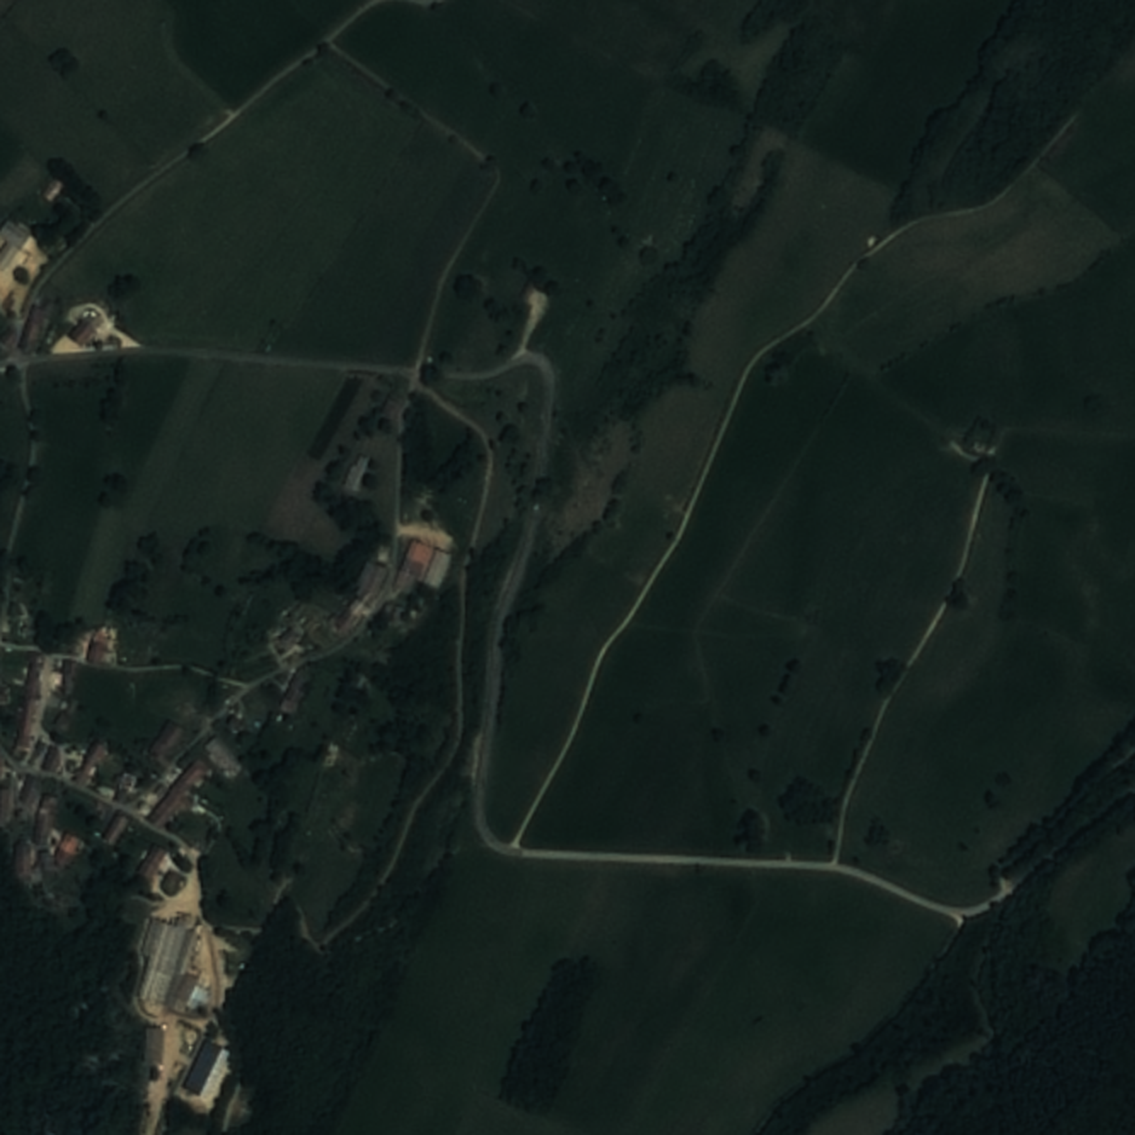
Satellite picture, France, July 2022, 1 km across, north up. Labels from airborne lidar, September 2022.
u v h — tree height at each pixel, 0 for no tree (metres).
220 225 0
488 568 10
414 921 15
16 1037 14
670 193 0
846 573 0
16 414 0
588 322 0
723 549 0
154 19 0
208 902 10
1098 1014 20
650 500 0
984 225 0
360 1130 0
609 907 0
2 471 16
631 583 0
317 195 0
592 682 0
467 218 0
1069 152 0
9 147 0
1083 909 0
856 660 0
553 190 0
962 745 0
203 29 0
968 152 6
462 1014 0
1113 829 12
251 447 0
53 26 0
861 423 0
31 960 15
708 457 0
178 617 7
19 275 11
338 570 9
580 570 0
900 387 0
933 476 0
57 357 0
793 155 0
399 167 0
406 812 9
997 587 0
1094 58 12
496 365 0
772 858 0
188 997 0
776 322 0
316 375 0
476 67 0
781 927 0
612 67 0
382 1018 12
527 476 12
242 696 0
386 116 0
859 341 0
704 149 0
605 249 0
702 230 8
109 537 0
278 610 0
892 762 0
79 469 0
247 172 0
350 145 0
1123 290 0
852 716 0
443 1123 0
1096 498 0
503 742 0
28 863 0
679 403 0
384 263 0
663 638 0
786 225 0
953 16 0
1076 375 0
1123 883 0
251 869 10
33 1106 17
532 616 9
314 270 0
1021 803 0
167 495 0
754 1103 0
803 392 0
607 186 17
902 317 0
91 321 0
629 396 8
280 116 0
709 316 0
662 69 0
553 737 0
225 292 0
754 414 0
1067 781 0
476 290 18
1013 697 0
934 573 0
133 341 0
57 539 0
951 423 0
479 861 0
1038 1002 24
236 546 0
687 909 0
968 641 0
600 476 0
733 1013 0
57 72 8
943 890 0
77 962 13
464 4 0
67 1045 9
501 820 0
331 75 0
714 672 0
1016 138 10
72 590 0
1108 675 0
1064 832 16
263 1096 14
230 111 0
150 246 0
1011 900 11
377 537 13
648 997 0
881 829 9
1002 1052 18
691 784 0
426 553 0
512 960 0
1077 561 0
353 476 0
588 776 0
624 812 0
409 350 0
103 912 13
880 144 0
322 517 0
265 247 0
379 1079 0
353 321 0
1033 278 0
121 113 0
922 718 0
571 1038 14
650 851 0
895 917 0
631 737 0
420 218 0
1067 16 14
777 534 0
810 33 7
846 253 0
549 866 0
